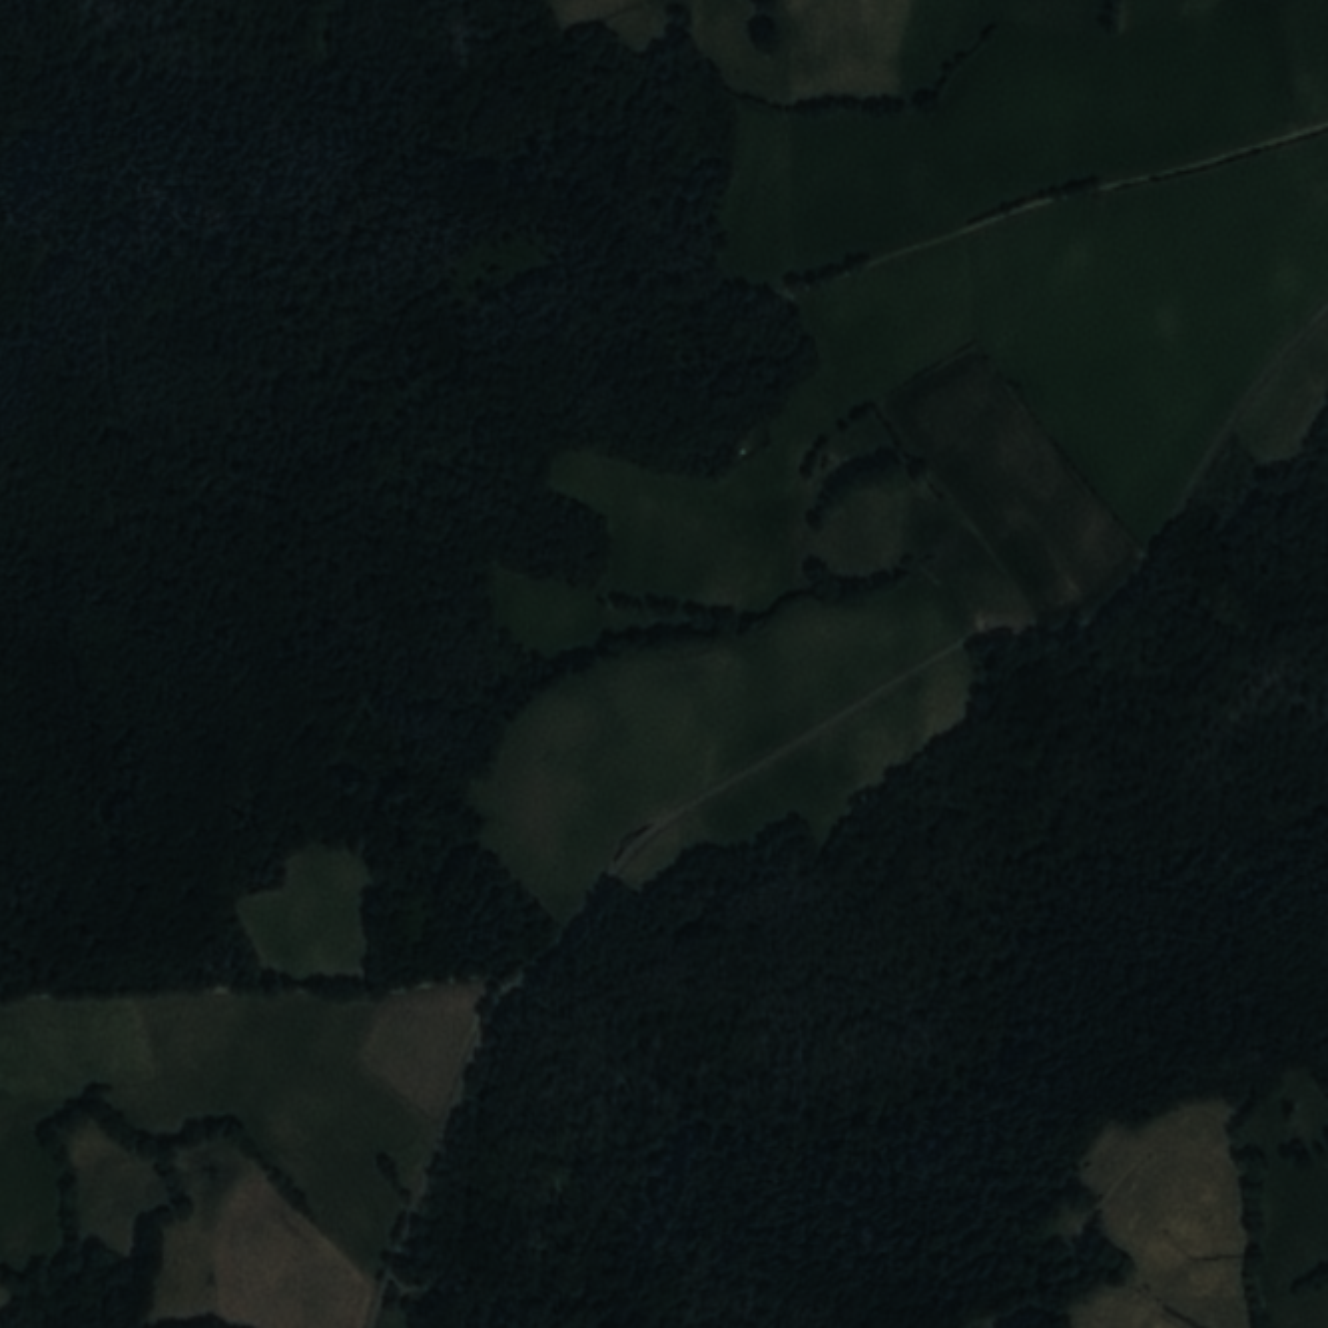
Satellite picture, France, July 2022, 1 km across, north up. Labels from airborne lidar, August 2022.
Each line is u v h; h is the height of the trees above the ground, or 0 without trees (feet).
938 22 0
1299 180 0
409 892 37
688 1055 83
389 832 58
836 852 39
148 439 51
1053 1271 53
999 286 0
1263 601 27
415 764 33
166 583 69
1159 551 52
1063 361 0
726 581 0
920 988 51
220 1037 0
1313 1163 51
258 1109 0
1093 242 0
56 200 62
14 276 50
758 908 69
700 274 58
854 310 0
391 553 71
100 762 43
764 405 63
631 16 0
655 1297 45
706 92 31
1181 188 0
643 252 77
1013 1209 52
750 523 0
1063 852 73
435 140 52
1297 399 0
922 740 0
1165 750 66
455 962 43
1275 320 0
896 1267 57
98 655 87
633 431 63
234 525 76
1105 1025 54
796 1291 54
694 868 48
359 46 68
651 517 0
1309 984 66
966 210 0
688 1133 82
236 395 55
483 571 54
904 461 62
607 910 62
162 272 59
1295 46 0
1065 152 0
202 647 85
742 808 0
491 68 32
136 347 52
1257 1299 38
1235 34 0
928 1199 45
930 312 0
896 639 0
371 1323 0
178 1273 0
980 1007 88
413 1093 0
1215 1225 0
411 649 72
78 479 54
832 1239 70
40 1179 0
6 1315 52
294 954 0
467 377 64
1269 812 59
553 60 24
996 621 0
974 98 0
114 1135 55
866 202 0
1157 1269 0
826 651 0
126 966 46
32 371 81
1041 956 58
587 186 78
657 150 58
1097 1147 0
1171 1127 0
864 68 0
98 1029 0
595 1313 52
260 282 67
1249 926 80
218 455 57
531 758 0
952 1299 35
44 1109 0
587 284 60
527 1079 75
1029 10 0
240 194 92
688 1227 31
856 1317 47
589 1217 87
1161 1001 63
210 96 90
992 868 59
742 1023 62
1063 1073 59
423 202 57
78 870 70
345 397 55
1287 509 60
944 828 73
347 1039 0
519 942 27
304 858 0
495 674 52
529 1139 72
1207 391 0
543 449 59
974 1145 29
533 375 72
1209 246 0
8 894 62
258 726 80
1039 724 82
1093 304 0
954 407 0
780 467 0
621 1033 59
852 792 0
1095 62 0
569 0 0
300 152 59
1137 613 62
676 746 0
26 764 67
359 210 21
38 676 42
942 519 0
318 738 82
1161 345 0
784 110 20
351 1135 0
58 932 80
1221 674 79
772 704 0
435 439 60
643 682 0
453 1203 61
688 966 74
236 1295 0
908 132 0
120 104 71
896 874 89
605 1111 89
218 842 94
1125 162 0
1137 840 68
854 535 0
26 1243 0
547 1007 73
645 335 69
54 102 49
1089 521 0
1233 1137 47
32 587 35
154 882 90
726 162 41
